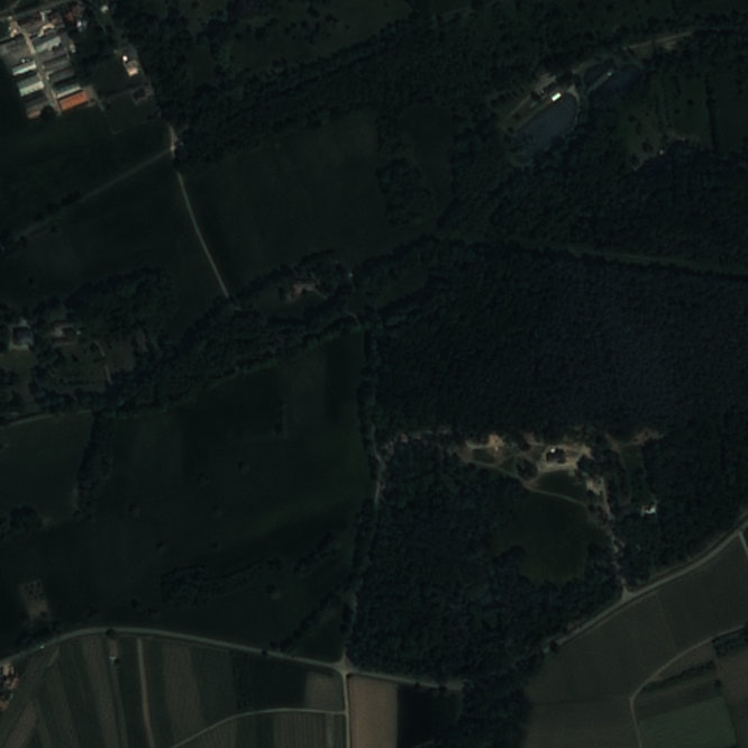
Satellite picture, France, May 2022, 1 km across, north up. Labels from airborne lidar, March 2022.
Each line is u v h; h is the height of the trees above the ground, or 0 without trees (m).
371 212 0
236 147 19
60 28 0
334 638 0
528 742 0
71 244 0
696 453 22
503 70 15
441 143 0
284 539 0
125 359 0
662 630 0
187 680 0
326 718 0
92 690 0
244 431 0
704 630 0
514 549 12
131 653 0
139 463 0
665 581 0
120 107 0
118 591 0
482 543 20
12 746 0
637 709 0
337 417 0
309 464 0
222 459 0
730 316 24
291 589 0
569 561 0
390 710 0
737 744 0
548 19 16
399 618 24
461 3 0
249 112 16
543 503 0
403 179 18
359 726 0
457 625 25
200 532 0
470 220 27
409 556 34
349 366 0
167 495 0
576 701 0
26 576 0
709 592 0
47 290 0
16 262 0
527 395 17
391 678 0
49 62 0
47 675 0
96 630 0
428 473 24
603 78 0
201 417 0
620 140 16
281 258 0
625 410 24
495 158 26
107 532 0
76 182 0
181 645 0
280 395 0
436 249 19
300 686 0
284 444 0
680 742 0
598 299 28
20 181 0
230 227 0
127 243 0
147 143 0
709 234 24
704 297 22
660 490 21
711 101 13
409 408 21
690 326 26
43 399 25
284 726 0
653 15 0
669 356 25
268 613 0
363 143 0
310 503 0
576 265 30
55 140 0
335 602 17
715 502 23
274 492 0
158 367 28
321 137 0
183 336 0
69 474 0
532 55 8
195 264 0
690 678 0
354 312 0
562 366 25
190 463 0
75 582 0
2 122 0
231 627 0
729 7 0
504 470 0
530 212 26
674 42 0
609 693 0
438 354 26
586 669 0
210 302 0
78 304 25
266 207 0
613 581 20
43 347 15
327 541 14
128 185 0
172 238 0
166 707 0
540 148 0
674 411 22
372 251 0
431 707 0
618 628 0
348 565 0
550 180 27
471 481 20
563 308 27
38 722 0
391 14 0
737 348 23
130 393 23
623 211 23
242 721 0
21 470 0
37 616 0
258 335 24
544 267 27
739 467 23
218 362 24
